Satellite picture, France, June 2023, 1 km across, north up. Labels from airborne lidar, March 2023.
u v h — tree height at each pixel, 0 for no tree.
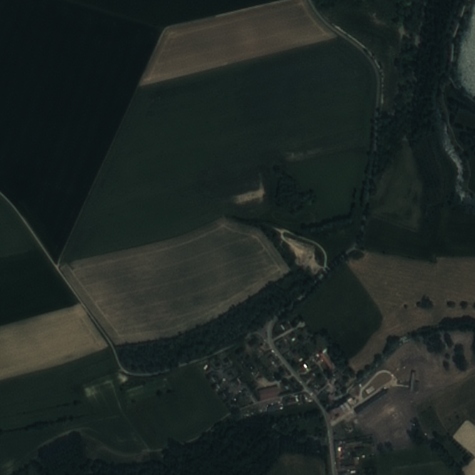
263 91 0
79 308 0
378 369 18
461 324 19
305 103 0
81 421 0
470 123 0
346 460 0
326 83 0
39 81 0
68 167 0
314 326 0
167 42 0
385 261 0
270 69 0
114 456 0
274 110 0
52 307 0
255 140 0
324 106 0
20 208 0
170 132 0
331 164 0
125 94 0
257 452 16
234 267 0
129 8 0
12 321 0
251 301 12
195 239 0
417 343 10
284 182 11
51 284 0
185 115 0
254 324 18
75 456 25
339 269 0
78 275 0
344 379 9
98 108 0
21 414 0
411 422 16
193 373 0
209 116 0
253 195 0
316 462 0
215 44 0
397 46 0
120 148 0
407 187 0
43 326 0
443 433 0
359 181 0
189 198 0
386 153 23
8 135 0
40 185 0
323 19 0
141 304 0
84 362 0
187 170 0
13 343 0
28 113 0
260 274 0
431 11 18
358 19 0
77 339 0
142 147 0
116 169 0
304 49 0
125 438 0
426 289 0
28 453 0
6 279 0
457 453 0
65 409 0
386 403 14
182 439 0
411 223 0
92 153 0
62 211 0
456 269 0
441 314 0
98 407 0
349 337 0
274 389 0
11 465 0
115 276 0
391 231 0
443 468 0
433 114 18
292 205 13
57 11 0
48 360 0
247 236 0
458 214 0
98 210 0
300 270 14
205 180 0
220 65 0
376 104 0
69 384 0
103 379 0
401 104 20
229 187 0
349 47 0
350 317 0
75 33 0
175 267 0
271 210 0
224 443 12
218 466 12
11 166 0
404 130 21
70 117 0
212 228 0
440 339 31
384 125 19
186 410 0
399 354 14
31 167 0
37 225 0
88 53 0
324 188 0
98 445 0
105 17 0
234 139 0
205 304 0
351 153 0
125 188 0
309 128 0
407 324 0
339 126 0
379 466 0
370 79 0
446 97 0
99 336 0
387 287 0
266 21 0
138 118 0
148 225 0
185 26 0
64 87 0
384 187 0
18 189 0
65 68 0
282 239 0
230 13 0
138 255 0
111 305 0
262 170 0
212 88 0
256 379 0
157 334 0
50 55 0
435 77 8
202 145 0
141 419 0
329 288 0
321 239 0
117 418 0
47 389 0
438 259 0
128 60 0
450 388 0
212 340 15
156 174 0
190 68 0
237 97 0
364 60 0
